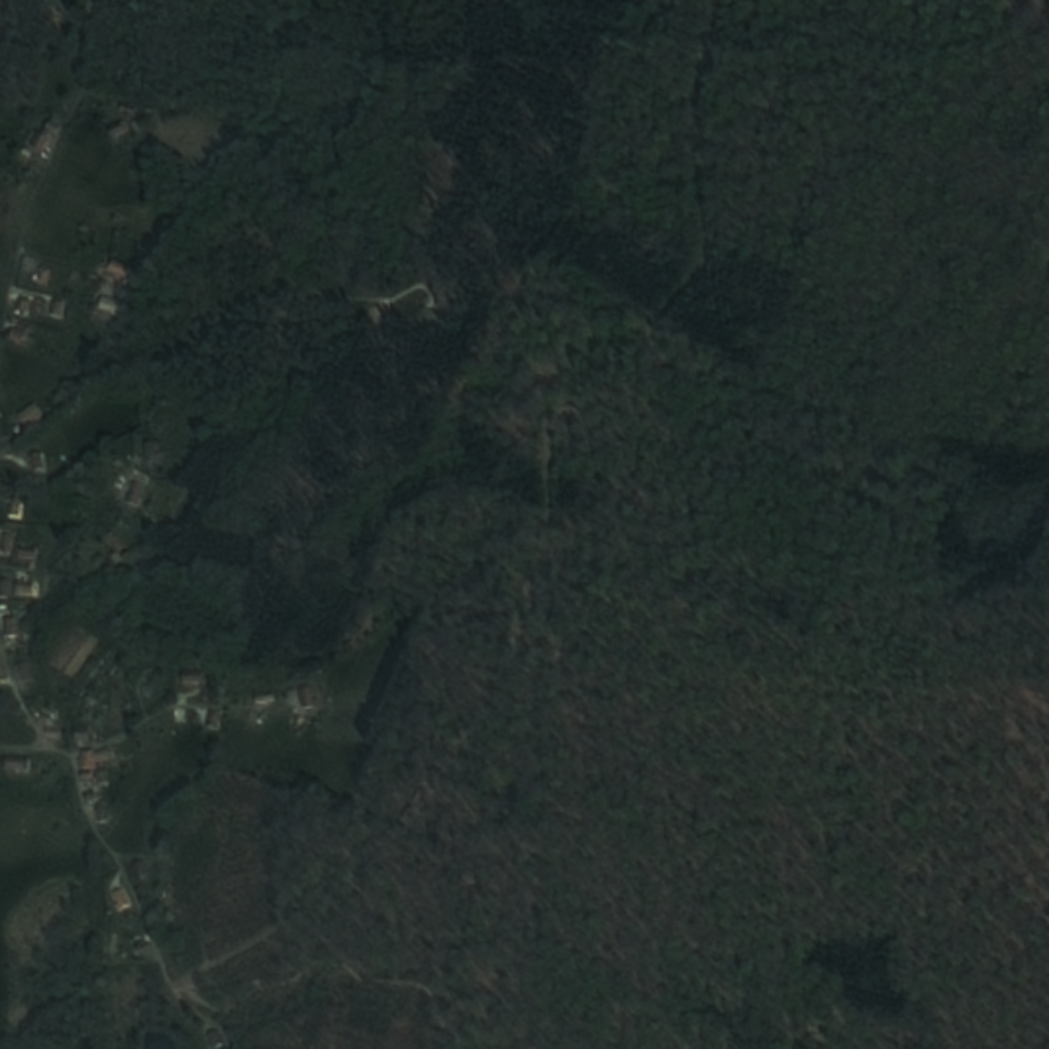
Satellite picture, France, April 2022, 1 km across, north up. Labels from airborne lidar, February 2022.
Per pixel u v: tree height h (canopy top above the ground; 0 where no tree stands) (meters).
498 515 28
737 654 23
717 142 24
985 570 16
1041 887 28
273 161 31
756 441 26
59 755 0
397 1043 0
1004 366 24
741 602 27
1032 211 23
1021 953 25
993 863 27
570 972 29
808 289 22
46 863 0
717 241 13
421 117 21
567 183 18
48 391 0
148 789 0
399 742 29
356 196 26
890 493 32
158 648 22
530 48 24
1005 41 26
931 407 23
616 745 23
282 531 23
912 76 24
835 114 27
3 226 0
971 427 22
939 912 23
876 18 24
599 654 29
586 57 20
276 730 0
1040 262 24
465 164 24
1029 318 24
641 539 27
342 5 11
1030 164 25
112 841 0
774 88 29
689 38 22
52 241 0
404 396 19
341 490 17
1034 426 23
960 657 24
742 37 20
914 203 25
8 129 0
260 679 6
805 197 27
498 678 25
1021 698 27
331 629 19
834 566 24
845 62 23
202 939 0
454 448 10
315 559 14
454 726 14
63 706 0
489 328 21
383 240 25
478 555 28
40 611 11
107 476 0
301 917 22
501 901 26
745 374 26
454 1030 31
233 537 16
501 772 28
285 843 28
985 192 26
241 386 30
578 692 27
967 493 20
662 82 23
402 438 20
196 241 24
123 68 13
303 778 0
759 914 28
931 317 20
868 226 26
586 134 24
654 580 26
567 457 20
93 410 0
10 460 0
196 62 24
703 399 25
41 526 0
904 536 32
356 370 22
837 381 19
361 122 29
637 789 26
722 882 29
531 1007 27
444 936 27
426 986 0
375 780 28
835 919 25
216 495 18
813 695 20
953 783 27
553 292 30
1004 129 24
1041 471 17
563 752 27
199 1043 0
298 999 8
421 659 31
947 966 27
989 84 24
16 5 21
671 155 21
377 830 27
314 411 24
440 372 22
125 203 0
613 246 16
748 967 21
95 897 0
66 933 20
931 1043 23
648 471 25
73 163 0
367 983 11
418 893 28
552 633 30
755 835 25
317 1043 16
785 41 25
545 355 26
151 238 8
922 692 22
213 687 11
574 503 16
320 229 27
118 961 0
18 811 0
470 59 18
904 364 21
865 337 22
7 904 0
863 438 28
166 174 23
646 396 26
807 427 25
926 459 17
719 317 19
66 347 0
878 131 27
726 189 26
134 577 20
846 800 22
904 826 24
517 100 16
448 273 19
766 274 15
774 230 22
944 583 30
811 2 19
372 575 26
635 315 21
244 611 23
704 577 28
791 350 20
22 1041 16
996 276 26
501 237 24
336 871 24
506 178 19
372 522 7
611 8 23
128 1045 11
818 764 24
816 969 24
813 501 26
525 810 28
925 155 25
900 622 18
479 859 25
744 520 28
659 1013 24
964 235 28
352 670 0
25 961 0
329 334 28
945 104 27
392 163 23
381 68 27
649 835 24
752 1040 11
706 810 28
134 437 13
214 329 8
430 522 25
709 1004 21
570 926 25
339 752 0
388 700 29
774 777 25
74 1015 14
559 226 18
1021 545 19
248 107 26
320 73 21
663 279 18
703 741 25
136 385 20
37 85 23
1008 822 26
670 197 24
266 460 27
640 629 26
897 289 30
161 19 16
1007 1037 24
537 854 25
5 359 0
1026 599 29
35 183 0
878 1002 16
